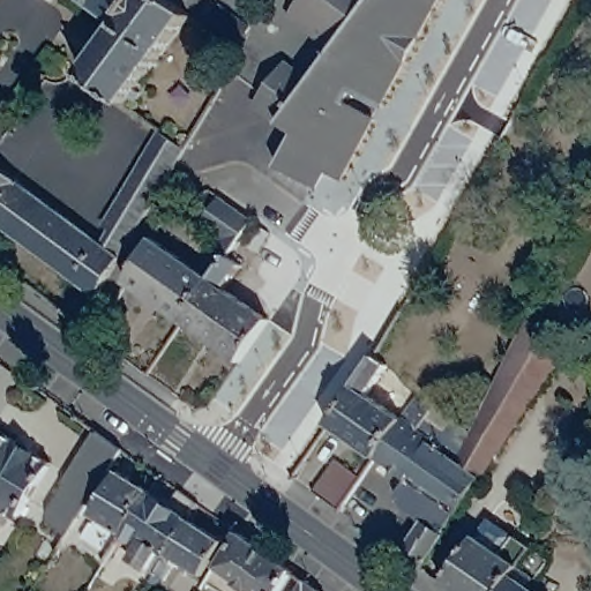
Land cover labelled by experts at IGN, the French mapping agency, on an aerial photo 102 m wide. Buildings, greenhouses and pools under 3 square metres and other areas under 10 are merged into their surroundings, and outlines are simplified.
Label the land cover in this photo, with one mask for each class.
<instances>
[{"label":"impervious surface","instance_id":"1","mask_svg":"<svg viewBox=\"0 0 591 591\"><path fill-rule=\"evenodd\" d=\"M51 0H0V102L12 99L16 85L44 95L48 99L37 120L28 127H21L14 134H9L7 127H0V173L37 194L60 215L81 226L88 235L102 238L104 233L95 224H90V219L99 212L102 203L118 182L120 173L125 171L145 132L129 120L127 113L113 106H104L90 99L85 92L69 83L42 85L39 74L37 55L42 48H48L55 35L65 32V23L69 21L55 7L48 5ZM67 109L83 115L92 113L102 122L104 143L97 152L72 157L60 150L51 129ZM173 14L185 16L199 0H157ZM293 5V0H275V14L270 23L242 25L238 21L245 37L242 48V74L235 83H231L224 90L219 88L215 92L194 132L189 136L180 134L178 141L180 162H185L203 185L219 189L222 194H226L245 208H254L256 217L261 231L252 238L249 245V252L268 247L282 256V261L270 259L263 261L259 268L263 277V289L256 296L265 309V319L272 321L270 328L256 339L245 360L233 362V369L222 383L217 395L203 409H192L187 402L178 399L185 386L182 381H175L173 386H169L159 376L141 372L132 362L122 360V379L118 392L113 397H88L83 390L74 388V372L69 369L67 358H62L58 351L60 328V309L51 305L46 298H42L35 289L25 286L23 305L18 307V312L0 314V436H7L16 448L30 452L32 457L44 459L51 469L67 473L72 469V462L78 457V450H83L88 436L99 434L104 441L118 448L122 457L106 459L99 466H95L88 473V489L97 492L109 471H118L120 476L139 485L159 506L196 524L217 543H222L226 533H240L249 540L252 536L263 531H275L282 538L291 536V561H282V566L289 575L302 579L312 591H362L358 586V556H362L365 549L374 543L386 540L399 547V556L406 561V566H416V559L409 554V545L404 540L406 531L411 529V519L397 522L392 513H388L397 503L392 496V487H397L399 478H388L386 466L376 462L372 464V473L358 489L356 501L344 513L339 508H330L312 494V487H319L330 466L339 464L342 469L360 476V471L367 466V455L339 441L319 422L323 406H328L330 402H342L346 379L356 369V365L362 358H369L374 374L367 379L362 390L369 392V397L376 404L386 406L395 418L402 416L399 404H404L409 392V388L399 381L397 374L381 365L383 356L376 351L399 309L397 300L406 293V284H411L418 291L429 289L427 263L434 259L429 245L436 240L448 217L452 201L469 182L476 164L480 162L485 148L492 141V134L503 132L506 122L513 125L515 120L508 113V106L517 97L531 65L545 48L556 23L566 14L570 0H434L432 7L439 12V18L429 28V35L420 53H416L413 58L416 69L402 78V85L388 104L379 102L372 109L369 120L374 122V134L369 143H356L360 157H349L353 162V169L344 166L337 180L321 173L314 185H305L272 166L270 157L282 141V132L275 129L252 104L265 76L279 62L293 65V55L298 53V48L307 39H314L300 23L289 21L286 9ZM399 192L404 194V201L411 208L413 231L420 238V242L409 247L406 256L381 254L372 249L365 240H360L356 215V205L360 199L369 203L381 194ZM360 256L383 268L376 279H367L356 270ZM342 305L356 312L353 326L349 330L356 337V344L344 358H337L335 353L321 349L319 342L323 319L332 321V312ZM23 356L35 365L46 362L51 374L46 388L35 390V397L44 402L42 409L30 413L18 411L7 402V388L14 381L12 372ZM584 379L579 374L570 379L568 374H561L552 383V388L538 399L522 432L513 439L508 452L496 466L492 476V489L487 492V496L478 499L471 503L469 515L455 519L448 524L446 533L434 547V563L425 566V573L429 577L439 575L450 549L459 545L464 538H473L480 531L478 526L482 522H492L494 526H499L503 536L524 545L526 536H522L515 529L519 524V513L508 503L506 492L517 482L529 489L543 487L545 478L540 469L545 462V452L556 450L561 455L568 448L570 432L584 422ZM439 436L446 443L443 448H439V452L457 464L464 462L457 455L464 434H462L439 429ZM14 526L25 531L35 526L42 540L39 556H48L51 547V533L42 526V522L16 517L14 501L5 506V510L0 513V545H5ZM81 519L74 517L55 547L58 556L69 545H76L78 549L95 556V561L99 563L97 570L102 573V582L115 584L122 579H132L139 582L136 591H199V586H192L194 579L187 570H182L173 561H166L159 554H155L150 568L143 563L139 568L127 566L122 561L125 549L118 545L120 533L109 531L95 522L88 524L81 533ZM543 570V559L538 556H531L526 561V568L513 573L510 577H515L531 591H591V552H584V547L577 545L561 543L554 547L547 584L536 579V575Z\"/></svg>","mask_w":591,"mask_h":591},{"label":"building","instance_id":"2","mask_svg":"<svg viewBox=\"0 0 591 591\"><path fill-rule=\"evenodd\" d=\"M76 5H81V12L95 18L97 28L83 42L81 51H76L69 60V69L62 78H44L39 74L42 85L69 83L85 92L90 99L104 106H113L115 99L136 97L134 85L148 69L157 67V58L162 55V51L180 37L185 16L173 14L157 0H76ZM434 0H293V5L286 9L289 21L300 23L314 39H307L298 48V53L293 55V65L279 62L265 76L252 104L275 129L282 132V141L270 157L272 166L305 185H314L321 173L337 180L344 166L353 169V162L349 157H360L356 143H369L374 134V122L369 120L372 109L379 102L388 104L402 85V78L416 69L413 58L416 53H420L429 35V28L439 18V12L432 7ZM178 141L169 134L145 132L125 171L120 173L118 182L102 203L99 212L90 219V224H95L104 233L102 238L88 235L81 226L60 215L37 194L0 173V233L16 238V242H21L25 249H30L35 256L48 263L55 272L67 277V286L76 291H92L104 282H115L118 296L122 300H127L129 296L136 298L141 307H152L169 323L180 328V335L194 337L201 346H205V351L215 356L229 353L233 362L245 360L256 339L270 328L272 321L265 319H261L254 309H249V305L238 300L235 296H231L224 286V272L229 270V265L240 263V254H235V249L240 242V224L245 222V217H256L254 208H245L226 194H222L219 189L203 185V189L196 192V199L203 203L201 217L212 222L215 245L208 252L215 261L208 265L205 272H196L178 256L159 247L155 240L143 238L134 247L125 265L118 263L122 235H127L134 226H139L145 219L150 215V208L143 201L145 187L162 171L173 169L180 162ZM508 339L510 349L503 356V365L499 367L494 381H489V390L485 395L480 413L476 416L471 429L464 434L457 455L464 462L457 464L439 452V448H443L446 443L439 436V429L425 422L420 399L413 392H409L404 404H399L402 416L395 418L386 406L376 404L369 397V392L362 390L367 379L374 374L369 358H362L356 365V369L346 379L342 402H330L328 406H323L319 422L339 441L367 455V466L360 471V476L342 469L339 464L330 466L319 487H312V494L330 508H339L344 513L356 501L358 489L372 473V464L376 462L386 466L388 478H399L397 487H392V496L397 503L388 513H392L397 522L411 519V529L406 531L404 540L409 545V554L416 559V579L411 591H531L515 577H510L513 573L508 563H513V559L522 552L524 545L503 536L499 526H494L492 522H482L478 526L480 531L473 538H464L459 545L450 549L439 575L429 577L425 573V566L434 563V547L446 533L448 524L455 519L452 515H448V506L466 485H471L478 473L487 469V464L496 466L508 452L513 439L522 432L538 399L552 388V383L545 376L552 369V360L540 358L531 351L529 335L526 323L519 326L517 332ZM122 457L118 448L104 441L99 434L88 436L83 450H78V457L72 462V469L67 473L51 469L44 459L32 457L30 452L16 448L7 436H0V513L5 510V506L14 501L16 517L42 522V526L51 533V547H55L74 517L81 519V533L88 524L95 522L109 531L120 533L118 545L125 549L122 561L127 566L139 568L143 563L150 568L155 554H159L166 561H173L182 570H187L194 579L192 586H199V591H312L302 579L289 575L282 566H268L256 559V552L249 554V540L240 533H226L222 543H217L196 524L159 506L139 485L120 476L118 471H109L97 492L88 489V473L95 466H99L106 459Z\"/></svg>","mask_w":591,"mask_h":591},{"label":"deciduous trees","instance_id":"3","mask_svg":"<svg viewBox=\"0 0 591 591\"><path fill-rule=\"evenodd\" d=\"M229 7L233 9L238 21L242 25L270 23L275 14V0H231ZM591 55V18H586L575 30L573 44ZM242 48L222 42L187 55L185 76L196 85L199 92H215L219 88L224 90L231 83H235L242 74ZM39 74L44 78H62L69 69V60L48 48H42L37 55ZM554 74L547 78L543 97H538L531 104H522L517 97L508 106V113L515 120L513 125V129L524 136V148L533 152L538 148L552 145L547 132L543 129V120L547 113L559 120L566 118L573 125H579L575 143L591 145V65H586L579 72L566 69L556 62L552 67ZM48 99L44 95L16 85L12 99L0 102V127H7L9 134H14L21 127H28L37 120ZM60 150L72 157L97 152L104 143L102 122L92 113L83 115L67 109L51 129ZM515 148L510 145V139L503 132L492 134V141L485 148L480 162L476 164L469 182L452 201L448 217L455 222L471 219V247L476 249L496 252L501 249L508 235L517 233L531 245V254L515 270V277L506 282V286H510L506 296L501 298L492 293L489 298H485L480 293L476 307L478 316L485 323L501 328L499 339H508L517 332L519 326L526 323V319L533 312L543 309L545 305H559L563 300L568 286L577 284V272L582 270L591 252V157L568 166L547 164L540 178L531 182H513L508 173V159ZM203 189V185L185 162H180L173 169L162 171L145 187L143 201L150 208V215L145 219L150 229L159 231H164L173 219L178 224H194V238L201 245L199 252H208L215 245L212 222L201 217L203 203L196 199V192ZM356 215L360 240H365L372 249L381 254L406 256L409 247L420 242V238L413 231L411 208L404 201V194L399 192L381 194L369 203L360 199L356 205ZM240 242L249 245L252 238L261 231L256 217H245V222L240 224ZM429 289L418 291L411 284H406V293L397 300L399 309L406 316H416L436 309H448L455 282L446 272V263L434 259L427 263ZM25 286L16 279L14 270L0 265V314L18 312V307L23 305ZM58 351L62 358H67L69 369L74 372V388L83 390L88 397H113L118 392L122 379V360L125 353H129V323L125 312H118L111 305L109 296L95 293L88 307H81L78 319L69 321L67 328H60ZM531 351L540 358L552 360V369L545 376L552 383L561 374H568L570 379L579 374L584 379V422L591 429V323L573 321L563 326L556 321H545L540 332L529 335ZM14 381L7 388V402L18 411L30 413L42 409L44 402L35 397V390L46 388L51 374L46 362L35 365L23 356L12 372ZM441 418L455 420L462 434H464L471 429L476 416L480 413L485 395L489 390V381L478 374H466L455 379H439L429 386H422ZM496 466L487 464V469L478 473L471 485H466L473 489L478 499L487 496V492L492 489V476ZM508 503L519 513V524L515 529L522 536H526L543 538V531L549 529L552 522H556V515L549 492L543 487L529 489L517 482L506 492ZM249 554L256 552V559L268 566H282V561H291V536L282 538L275 531H263L252 536L249 540ZM416 579V566H406V561L399 556V547L386 540L374 543L365 549L362 556H358V586L362 591H411ZM9 547L5 545H0V591H18V584H25L28 577H18L14 573V566L5 559Z\"/></svg>","mask_w":591,"mask_h":591},{"label":"herbaceous vegetation","instance_id":"4","mask_svg":"<svg viewBox=\"0 0 591 591\"><path fill-rule=\"evenodd\" d=\"M48 5L55 7L69 21L65 23V32L55 35L48 48L69 60L76 51H81L83 42L97 28L95 18L81 12V5H76V0H51ZM231 0H199L185 16L180 37L162 51V55L157 58V67L148 69L134 85L136 97L115 99L113 106L127 113L129 120L145 132L169 134L178 141L180 134L189 136L194 132L215 92H199L196 85L185 76L187 55L222 42L242 48L245 37L238 21L233 9L229 7ZM556 62L566 69L579 72L586 65H591V55L573 44L561 53ZM543 129L547 132L552 145L538 148L533 152L524 148V136L513 129V125L506 122L503 132L510 139V145L515 148L508 159V173L513 182H531L540 178L547 164L568 166L591 157V145L575 143L579 125H573L566 118L559 120L547 113L543 120ZM143 238L155 240L159 247L178 256L196 272H205L208 265L215 261L208 252H199L201 245L194 238V224H178L173 219L164 231H159L150 229L145 219L139 226H134L127 235H122L118 263L125 265L134 247ZM452 247L448 252L446 263V272L455 282L448 309H436L416 316H406L399 309L376 351L383 356L381 365L397 374L399 381L409 388V392H413L420 399L425 422L439 429L462 434L455 420L441 418L422 386H429L439 379H455L466 374H478L489 381H494L499 367L503 365V356L510 349L508 339H499L501 328L485 323L478 316L476 307L480 293L485 298H489L492 293L501 298L506 296L510 286H506V282L515 277V270L531 254V245L517 233L508 235L501 249L496 252L476 249L471 247V219L455 222L450 224ZM0 265L14 270L16 279L25 286L35 289L42 298H46L51 305L60 309V328H67L69 321L78 319L81 307H88L95 293L109 296L111 305L118 312H125L129 323V353H125L122 360L132 362L141 372L159 376L169 386H173L175 381H182L185 386L196 388L205 376H217L222 383L233 369V362L229 353L215 356L205 351V346H201L194 337L180 335V328L169 323L152 307H141L136 298L129 296L127 300H122L118 296L115 282H104L92 291H76L67 286V277L55 272L48 263L35 256L30 249H25L21 242H16V238L0 233ZM235 254H240V263L229 265V270L224 272V286L231 296H235L238 300L249 305V309H254L261 319H265V309L256 296L263 289V277L259 268L263 261L270 259L282 261V256L268 247L249 252V245L240 242L235 249ZM545 321H556L563 326L573 321L591 323V252L582 270L577 272V284L568 286L563 300L559 305H545L543 309L533 312L526 319V323L529 335L540 332ZM356 270L367 279H376L383 268L360 256ZM356 312L342 305L332 312V321L323 319L319 342L321 349L335 353L337 358H344L356 344V337L349 330L353 326ZM591 450V429L584 422L570 432L568 448L561 455V459H577ZM5 545L9 547L5 559L14 566V573L18 577H28L25 584H18V591H136L139 582L132 579H122L115 584L102 582V573L97 570L99 563L95 561V556L78 549L76 545H69L58 556L55 547H51L48 556H39L42 540L35 526L25 531L14 526Z\"/></svg>","mask_w":591,"mask_h":591},{"label":"brushwood","instance_id":"5","mask_svg":"<svg viewBox=\"0 0 591 591\"><path fill-rule=\"evenodd\" d=\"M586 18H591V0H570L566 14L556 23L545 48L531 65L517 97L522 104H531L538 97H543L547 78L554 74L552 67L556 62L561 53L573 44L575 30ZM450 224L455 222L448 217L436 240L429 245L434 259L446 263L448 252L452 247ZM222 383L217 376H205L196 388L185 386L178 399L187 402L192 409H203L217 395ZM478 499L473 489L466 485L448 506V515H452L455 519L469 515L471 503ZM554 547L549 540L543 538L526 536L524 545L522 552L513 559V563H508L513 573L526 568V561L531 556H538L543 559V570L536 575V579L547 584Z\"/></svg>","mask_w":591,"mask_h":591},{"label":"coniferous trees","instance_id":"6","mask_svg":"<svg viewBox=\"0 0 591 591\"><path fill-rule=\"evenodd\" d=\"M545 478L543 487L549 492L556 515V522H552L549 529L543 531V538L549 540L554 547L561 543L577 545L584 547V552H591V450L577 459H561V455L556 450L545 452V462L540 469Z\"/></svg>","mask_w":591,"mask_h":591}]
</instances>
